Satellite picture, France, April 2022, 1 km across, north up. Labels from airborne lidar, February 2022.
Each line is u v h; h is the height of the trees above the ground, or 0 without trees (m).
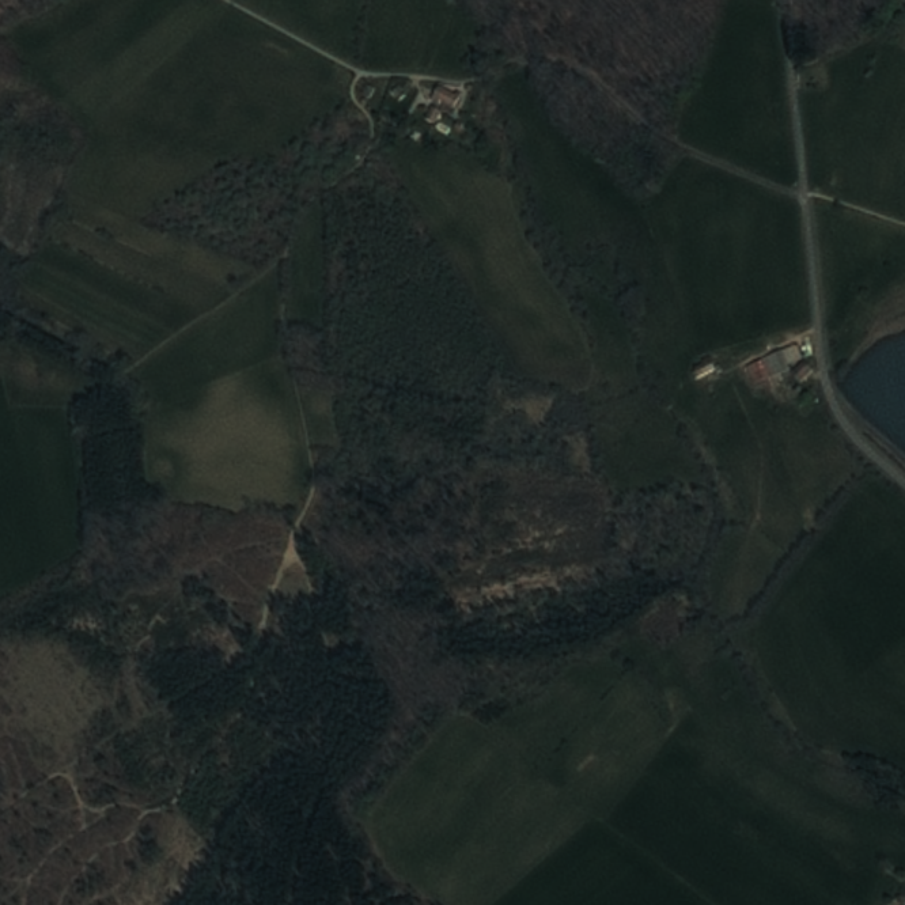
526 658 19
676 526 25
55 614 11
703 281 0
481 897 0
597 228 0
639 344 10
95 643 10
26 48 0
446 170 0
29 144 9
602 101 30
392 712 27
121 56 0
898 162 0
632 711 0
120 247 0
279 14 0
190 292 0
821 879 0
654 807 0
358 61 8
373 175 9
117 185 0
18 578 0
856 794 0
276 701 23
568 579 0
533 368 0
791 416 0
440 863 0
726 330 0
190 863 0
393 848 0
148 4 0
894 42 9
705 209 0
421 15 0
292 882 21
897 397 0
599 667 0
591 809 0
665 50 25
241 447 0
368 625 19
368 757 24
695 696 0
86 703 0
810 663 0
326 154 12
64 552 0
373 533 11
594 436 9
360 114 0
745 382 0
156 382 0
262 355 0
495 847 0
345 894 19
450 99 0
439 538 24
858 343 0
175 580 29
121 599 17
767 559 0
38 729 0
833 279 0
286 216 11
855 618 0
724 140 0
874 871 0
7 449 0
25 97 0
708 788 0
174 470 0
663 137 24
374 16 0
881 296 0
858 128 0
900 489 8
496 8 23
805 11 31
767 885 0
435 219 0
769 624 0
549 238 15
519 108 0
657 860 0
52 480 0
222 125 0
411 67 0
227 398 0
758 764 0
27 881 0
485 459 25
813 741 0
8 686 0
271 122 0
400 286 11
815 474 0
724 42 0
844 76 0
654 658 0
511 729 0
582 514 0
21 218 0
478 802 0
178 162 0
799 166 0
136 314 0
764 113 0
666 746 0
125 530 27
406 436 11
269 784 17
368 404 18
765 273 0
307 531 0
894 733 0
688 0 29
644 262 0
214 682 15
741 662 13
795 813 0
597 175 0
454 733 0
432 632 24
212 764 11
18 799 10
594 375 0
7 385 0
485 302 0
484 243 0
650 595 17
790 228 0
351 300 13
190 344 0
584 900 0
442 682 26
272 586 0
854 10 33
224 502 0
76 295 0
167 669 13
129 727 0
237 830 29
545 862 0
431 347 10
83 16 0
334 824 24
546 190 0
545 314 0
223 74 0
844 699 0
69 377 0
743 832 0
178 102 0
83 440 14
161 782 8
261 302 0
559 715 0
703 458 9
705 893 0
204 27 0
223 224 6
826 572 0
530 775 0
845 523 0
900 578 0
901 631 0
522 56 19
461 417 19
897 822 0
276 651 26
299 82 0
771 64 0
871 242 0
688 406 0
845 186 0
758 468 0
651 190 21
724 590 0
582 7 24
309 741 25
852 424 0
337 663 26
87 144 0
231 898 26
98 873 8
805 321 0
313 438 0
